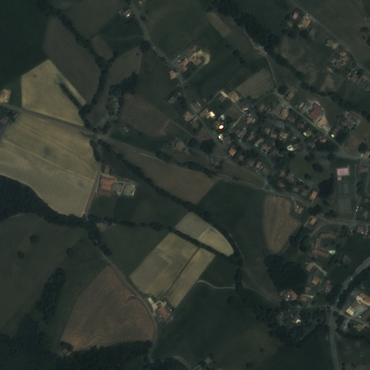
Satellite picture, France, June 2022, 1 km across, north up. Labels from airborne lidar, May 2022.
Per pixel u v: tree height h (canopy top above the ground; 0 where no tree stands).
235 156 8
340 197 0
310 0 0
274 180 12
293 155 23
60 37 0
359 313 0
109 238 0
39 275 0
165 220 0
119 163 0
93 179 0
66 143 0
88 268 0
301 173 0
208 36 0
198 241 13
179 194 0
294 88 0
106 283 0
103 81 16
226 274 0
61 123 0
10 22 0
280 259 22
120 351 12
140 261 0
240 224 0
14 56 0
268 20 0
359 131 0
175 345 0
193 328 0
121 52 0
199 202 0
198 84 0
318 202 0
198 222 0
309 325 8
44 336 26
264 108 0
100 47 0
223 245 0
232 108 0
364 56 0
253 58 0
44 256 0
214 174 12
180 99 14
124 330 0
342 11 0
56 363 8
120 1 0
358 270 0
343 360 0
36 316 0
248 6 0
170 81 0
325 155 0
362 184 17
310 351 0
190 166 23
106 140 0
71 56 0
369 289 0
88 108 13
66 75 0
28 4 0
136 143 0
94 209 0
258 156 8
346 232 6
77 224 14
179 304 0
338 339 0
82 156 0
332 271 0
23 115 0
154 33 0
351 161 0
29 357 7
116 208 0
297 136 0
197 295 0
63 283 20
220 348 0
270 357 0
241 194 0
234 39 0
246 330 0
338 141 12
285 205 0
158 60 0
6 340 10
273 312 17
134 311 0
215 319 0
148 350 14
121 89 16
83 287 0
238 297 0
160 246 0
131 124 0
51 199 0
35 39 0
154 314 0
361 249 0
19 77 0
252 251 0
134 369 0
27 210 16
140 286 0
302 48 0
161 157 23
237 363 0
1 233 0
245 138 7
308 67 0
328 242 0
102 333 0
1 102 0
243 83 0
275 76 0
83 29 0
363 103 0
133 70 0
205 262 0
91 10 0
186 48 0
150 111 0
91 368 18
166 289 0
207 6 0
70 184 0
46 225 0
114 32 0
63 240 0
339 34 0
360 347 0
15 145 0
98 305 0
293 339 21
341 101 19
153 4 0
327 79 0
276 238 0
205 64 0
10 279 0
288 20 11
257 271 0
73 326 0
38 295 0
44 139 0
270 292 0
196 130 9
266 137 13
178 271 0
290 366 0
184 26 0
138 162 0
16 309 0
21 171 0
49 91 0
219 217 0
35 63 0
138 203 0
